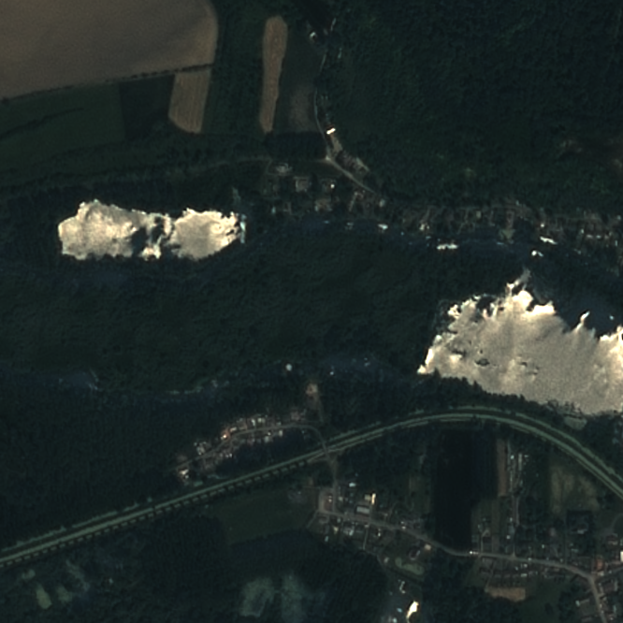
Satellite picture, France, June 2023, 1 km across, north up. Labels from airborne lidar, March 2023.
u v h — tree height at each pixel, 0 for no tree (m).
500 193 14
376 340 17
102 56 0
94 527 0
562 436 0
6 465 26
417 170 7
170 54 0
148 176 13
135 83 0
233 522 0
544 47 15
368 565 12
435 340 0
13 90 0
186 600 28
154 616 8
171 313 0
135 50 0
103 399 14
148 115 0
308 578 8
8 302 0
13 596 6
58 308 7
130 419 28
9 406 29
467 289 6
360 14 11
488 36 24
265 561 26
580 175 8
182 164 11
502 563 0
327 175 0
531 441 13
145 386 6
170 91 0
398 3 17
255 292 8
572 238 14
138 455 27
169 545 14
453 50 15
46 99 0
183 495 0
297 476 7
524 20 8
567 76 12
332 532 0
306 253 6
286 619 0
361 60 7
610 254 22
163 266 14
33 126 12
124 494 29
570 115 17
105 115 0
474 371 0
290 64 0
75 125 0
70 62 0
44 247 22
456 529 0
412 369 11
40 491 28
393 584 0
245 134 7
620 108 17
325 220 0
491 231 0
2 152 0
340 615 9
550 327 0
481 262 19
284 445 28
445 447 0
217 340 7
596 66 24
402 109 6
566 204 12
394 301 6
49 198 20
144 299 13
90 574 14
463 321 0
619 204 11
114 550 12
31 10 0
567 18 22
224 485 0
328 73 6
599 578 0
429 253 8
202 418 27
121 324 7
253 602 0
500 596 0
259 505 0
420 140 7
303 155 12
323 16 0
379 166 15
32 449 28
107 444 27
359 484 22
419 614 0
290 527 0
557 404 0
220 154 7
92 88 0
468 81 15
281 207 11
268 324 6
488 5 25
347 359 0
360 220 0
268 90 0
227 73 6
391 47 10
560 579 6
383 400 29
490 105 18
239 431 0
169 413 28
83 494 29
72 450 28
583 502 0
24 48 0
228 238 0
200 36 0
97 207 0
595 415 0
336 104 7
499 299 0
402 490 0
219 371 7
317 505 0
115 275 0
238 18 7
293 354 6
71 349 0
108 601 13
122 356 0
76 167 0
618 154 0
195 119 0
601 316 0
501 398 13
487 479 33
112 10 0
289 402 6
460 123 15
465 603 16
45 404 31
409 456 19
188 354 5
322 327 6
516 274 8
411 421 0
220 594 30
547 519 12
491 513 0
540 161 8
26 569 8
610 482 0
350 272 0
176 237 0
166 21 0
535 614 0
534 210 12
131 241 0
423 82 15
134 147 6
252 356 5
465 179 7
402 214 11
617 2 19
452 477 0
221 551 23
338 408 11
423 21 21
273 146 24
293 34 0
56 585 14
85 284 12
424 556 0
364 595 11
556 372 0
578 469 0
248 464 28
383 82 7
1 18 0
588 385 0
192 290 12
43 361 0
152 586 6
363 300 0
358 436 0
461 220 12
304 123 0
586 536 9
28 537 9
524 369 0
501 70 9
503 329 0
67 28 0
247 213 0
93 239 0
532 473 0
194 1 0
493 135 7
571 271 9
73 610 16
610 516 0
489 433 29
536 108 11
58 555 7
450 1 22
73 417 29
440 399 29
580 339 0
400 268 0
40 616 7
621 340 0
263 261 13
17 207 23
